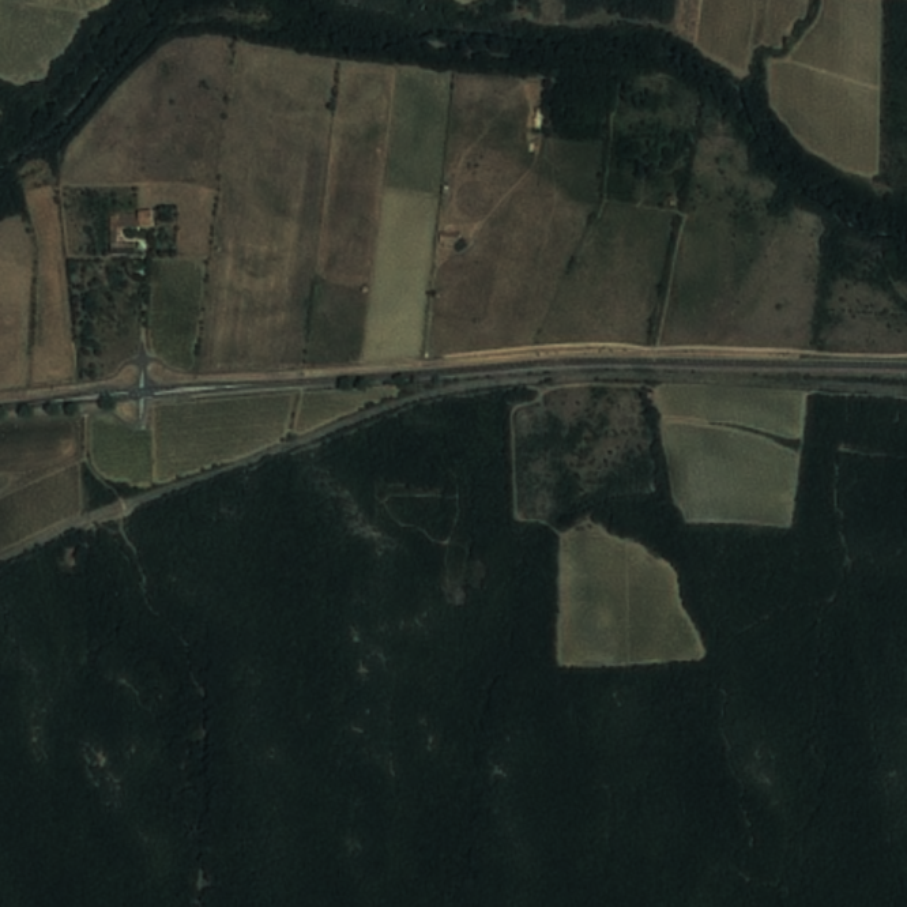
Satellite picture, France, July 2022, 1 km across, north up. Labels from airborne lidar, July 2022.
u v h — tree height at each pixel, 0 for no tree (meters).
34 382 0
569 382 0
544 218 0
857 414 6
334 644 9
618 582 0
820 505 6
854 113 0
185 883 17
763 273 0
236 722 5
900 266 8
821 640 6
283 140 0
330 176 0
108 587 7
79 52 12
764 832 5
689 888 6
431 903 7
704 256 0
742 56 0
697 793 8
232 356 0
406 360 0
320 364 0
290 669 6
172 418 0
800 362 0
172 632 7
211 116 0
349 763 6
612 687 7
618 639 0
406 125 0
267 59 0
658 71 6
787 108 0
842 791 8
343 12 9
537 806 6
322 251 0
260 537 9
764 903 7
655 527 8
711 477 0
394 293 0
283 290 0
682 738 10
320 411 0
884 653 7
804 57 0
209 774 14
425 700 6
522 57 27
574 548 0
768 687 7
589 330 0
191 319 0
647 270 0
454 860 10
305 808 6
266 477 8
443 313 0
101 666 7
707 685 10
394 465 7
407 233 0
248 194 0
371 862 6
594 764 9
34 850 8
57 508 0
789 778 6
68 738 8
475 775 9
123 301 0
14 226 0
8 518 0
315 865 7
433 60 13
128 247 0
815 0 6
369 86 0
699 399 0
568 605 0
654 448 9
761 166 11
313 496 6
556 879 9
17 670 6
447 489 6
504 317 0
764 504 0
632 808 7
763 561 7
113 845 8
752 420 0
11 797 6
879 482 7
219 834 10
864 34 0
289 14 21
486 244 0
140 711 8
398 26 11
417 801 6
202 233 0
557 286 0
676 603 0
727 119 14
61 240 0
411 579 7
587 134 7
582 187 0
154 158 0
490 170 0
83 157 0
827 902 5
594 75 11
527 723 7
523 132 0
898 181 7
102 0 0
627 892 7
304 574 8
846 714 6
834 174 7
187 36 8
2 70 0
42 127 19
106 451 0
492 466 6
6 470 0
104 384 0
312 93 0
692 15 0
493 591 5
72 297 7
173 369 0
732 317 0
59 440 0
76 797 9
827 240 11
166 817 12
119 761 6
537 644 8
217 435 0
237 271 0
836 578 9
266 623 6
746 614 6
